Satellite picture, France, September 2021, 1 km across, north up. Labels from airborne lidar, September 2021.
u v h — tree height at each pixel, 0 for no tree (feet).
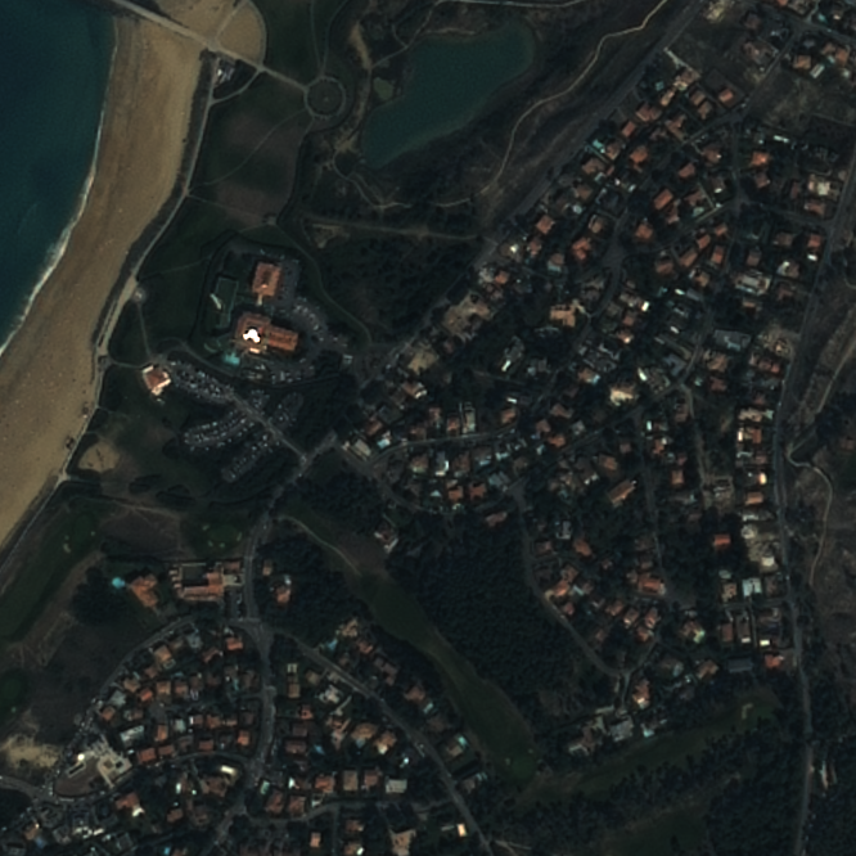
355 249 0
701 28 0
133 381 0
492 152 0
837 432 77
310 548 37
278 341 0
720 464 61
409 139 0
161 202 0
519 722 0
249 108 0
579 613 49
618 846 0
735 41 0
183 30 0
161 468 0
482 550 60
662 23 0
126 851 24
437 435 21
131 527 0
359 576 0
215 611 42
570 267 37
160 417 0
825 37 23
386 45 0
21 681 0
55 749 0
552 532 27
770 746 35
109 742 33
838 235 0
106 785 48
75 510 0
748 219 50
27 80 0
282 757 42
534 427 54
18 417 0
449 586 61
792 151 22
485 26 0
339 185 0
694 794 69
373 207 0
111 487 0
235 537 0
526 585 52
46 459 0
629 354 73
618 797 52
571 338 64
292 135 0
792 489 0
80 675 0
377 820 59
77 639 0
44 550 0
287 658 50
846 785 75
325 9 0
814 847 63
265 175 0
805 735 55
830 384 70
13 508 0
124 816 28
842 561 0
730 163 21
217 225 0
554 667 62
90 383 0
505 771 0
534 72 0
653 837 0
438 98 0
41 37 0
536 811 0
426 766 54
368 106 0
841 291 69
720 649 56
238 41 0
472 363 40
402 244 28
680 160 32
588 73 0
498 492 32
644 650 68
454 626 42
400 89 0
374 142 0
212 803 28
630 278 60
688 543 55
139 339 0
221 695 44
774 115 0
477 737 0
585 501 65
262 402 0
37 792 0
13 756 0
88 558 0
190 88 0
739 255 40
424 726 56
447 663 0
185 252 0
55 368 0
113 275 0
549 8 0
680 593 52
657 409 31
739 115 0
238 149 0
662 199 0
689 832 0
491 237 0
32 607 0
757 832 77
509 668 65
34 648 0
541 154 0
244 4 0
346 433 32
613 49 0
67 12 0
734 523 50
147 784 40
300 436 21
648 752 0
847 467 0
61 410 0
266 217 0
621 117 0
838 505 0
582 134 0
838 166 62
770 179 25
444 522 34
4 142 0
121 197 0
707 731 0
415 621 0
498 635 70
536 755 0
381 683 18
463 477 18
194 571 0
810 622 76
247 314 0
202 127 0
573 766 61
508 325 29
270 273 0
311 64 0
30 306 0
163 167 0
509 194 0
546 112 0
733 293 27
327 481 0
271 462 20
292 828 31
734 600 18
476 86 0
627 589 62
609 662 31
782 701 28
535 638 63
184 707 31
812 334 0
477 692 0
